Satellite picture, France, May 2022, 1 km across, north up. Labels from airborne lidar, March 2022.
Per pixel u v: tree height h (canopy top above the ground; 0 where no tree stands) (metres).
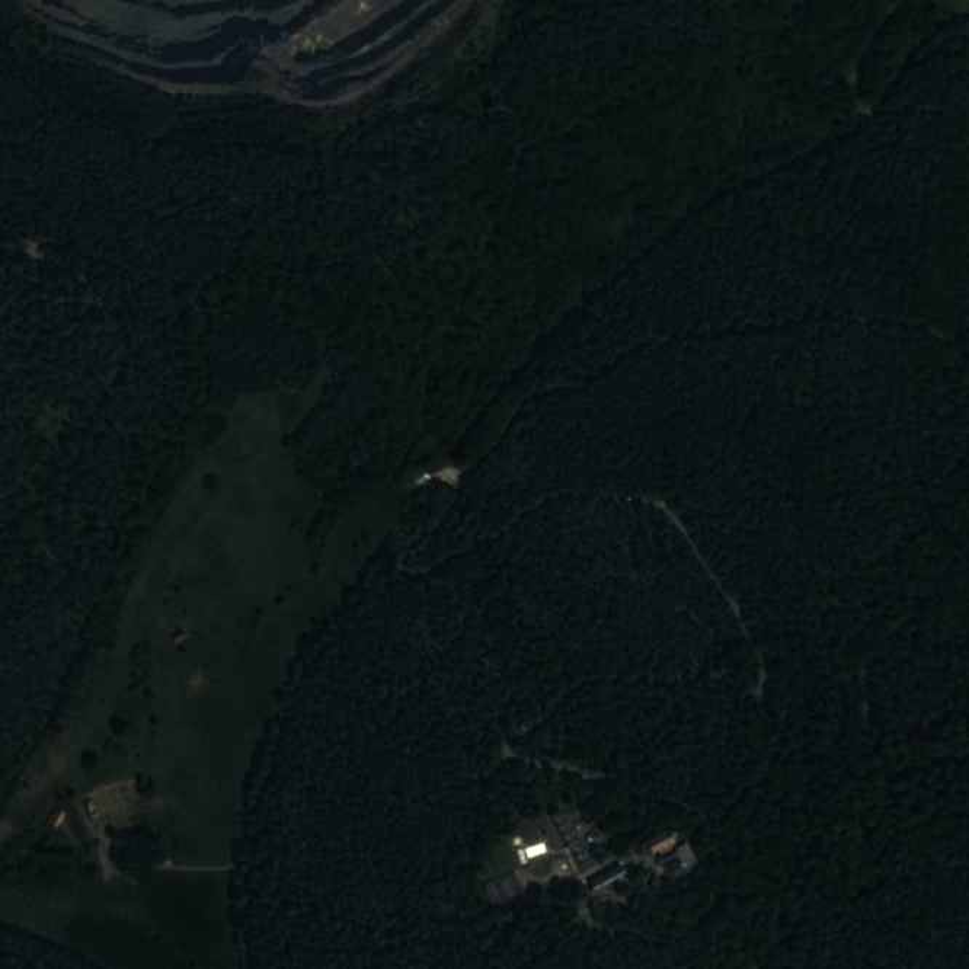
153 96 11
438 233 25
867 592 20
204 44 0
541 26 19
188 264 22
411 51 0
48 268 9
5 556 28
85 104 8
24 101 23
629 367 23
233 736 0
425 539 15
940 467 29
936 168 20
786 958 28
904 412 19
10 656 20
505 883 0
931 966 25
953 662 25
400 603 21
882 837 33
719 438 17
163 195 25
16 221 25
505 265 23
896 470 21
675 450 19
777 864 29
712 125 19
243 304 21
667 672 24
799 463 21
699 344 22
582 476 21
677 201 21
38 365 30
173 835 0
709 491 21
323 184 25
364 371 24
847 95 32
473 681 22
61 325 27
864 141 24
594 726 17
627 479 17
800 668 22
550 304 26
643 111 24
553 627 22
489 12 0
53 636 23
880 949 27
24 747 18
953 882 24
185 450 18
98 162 21
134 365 25
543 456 15
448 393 31
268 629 0
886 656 18
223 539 0
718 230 20
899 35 28
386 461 19
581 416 20
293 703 18
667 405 18
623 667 20
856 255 19
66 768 0
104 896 0
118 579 14
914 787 36
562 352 23
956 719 34
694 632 20
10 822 0
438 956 23
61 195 26
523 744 17
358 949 22
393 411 17
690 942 23
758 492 22
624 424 19
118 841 21
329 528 18
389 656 15
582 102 21
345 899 17
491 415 23
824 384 18
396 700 28
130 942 0
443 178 25
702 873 24
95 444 32
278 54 0
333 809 24
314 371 14
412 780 23
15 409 27
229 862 0
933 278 22
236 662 0
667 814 18
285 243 28
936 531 23
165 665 0
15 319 27
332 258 26
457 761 21
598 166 26
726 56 26
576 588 21
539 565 22
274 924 29
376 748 22
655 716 22
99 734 0
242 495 0
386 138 24
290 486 0
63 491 33
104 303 23
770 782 28
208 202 24
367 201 27
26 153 17
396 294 24
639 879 19
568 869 0
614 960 20
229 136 12
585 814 18
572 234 18
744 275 23
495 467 15
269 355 19
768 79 6
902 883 24
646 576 17
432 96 7
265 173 26
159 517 17
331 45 0
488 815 19
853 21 20
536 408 20
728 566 19
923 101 19
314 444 11
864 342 19
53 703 14
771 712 24
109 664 0
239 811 0
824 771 24
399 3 0
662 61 21
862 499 21
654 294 23
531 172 20
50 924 0
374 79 6
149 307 29
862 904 29
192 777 0
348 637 23
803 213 15
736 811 23
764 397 21
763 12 21
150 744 0
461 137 26
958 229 23
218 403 21
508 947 24
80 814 0
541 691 27
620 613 24
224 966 0
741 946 26
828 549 23
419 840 19
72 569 27
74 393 33
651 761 27
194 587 0
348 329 15
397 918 22
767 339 23
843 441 24
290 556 0
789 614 22
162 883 0
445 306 24
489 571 24
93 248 23
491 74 16
